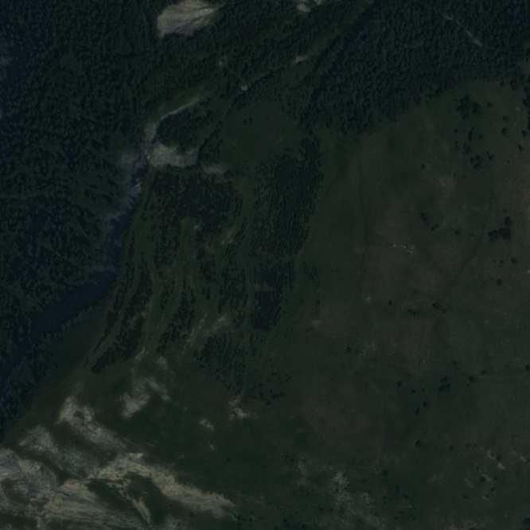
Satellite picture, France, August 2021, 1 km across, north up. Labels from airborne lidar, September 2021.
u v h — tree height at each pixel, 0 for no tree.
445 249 0
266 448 0
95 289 0
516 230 0
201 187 8
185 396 0
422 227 0
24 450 0
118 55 8
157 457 0
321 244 0
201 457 0
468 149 10
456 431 0
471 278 0
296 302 0
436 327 0
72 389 0
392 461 0
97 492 0
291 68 15
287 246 8
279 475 0
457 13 23
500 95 0
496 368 0
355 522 0
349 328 0
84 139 27
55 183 12
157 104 13
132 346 8
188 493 0
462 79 24
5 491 0
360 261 0
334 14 15
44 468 0
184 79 7
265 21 13
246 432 0
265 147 0
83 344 0
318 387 0
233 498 0
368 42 27
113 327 7
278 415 0
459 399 0
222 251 0
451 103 0
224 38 14
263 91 17
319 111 15
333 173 0
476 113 13
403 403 0
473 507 0
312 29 10
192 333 0
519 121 0
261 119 0
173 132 13
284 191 13
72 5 19
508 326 0
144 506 0
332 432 0
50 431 0
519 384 0
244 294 7
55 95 24
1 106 0
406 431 0
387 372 0
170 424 0
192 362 0
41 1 16
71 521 0
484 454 0
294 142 0
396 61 26
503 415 0
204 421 0
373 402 0
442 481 0
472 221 0
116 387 0
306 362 0
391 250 0
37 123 25
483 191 0
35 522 0
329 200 0
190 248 0
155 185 8
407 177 0
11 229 6
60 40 10
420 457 0
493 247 0
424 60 26
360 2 16
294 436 0
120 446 0
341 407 0
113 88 18
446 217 0
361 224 0
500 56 10
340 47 17
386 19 12
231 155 0
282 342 0
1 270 22
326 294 0
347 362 0
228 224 6
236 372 8
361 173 0
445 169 0
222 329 0
